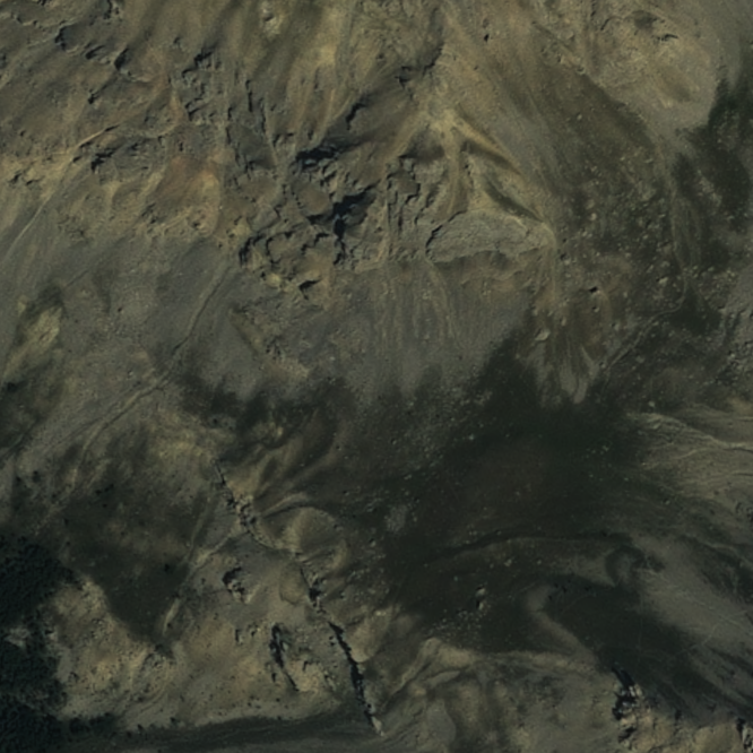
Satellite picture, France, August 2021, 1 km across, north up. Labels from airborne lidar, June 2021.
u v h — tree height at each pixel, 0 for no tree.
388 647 0
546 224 0
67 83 0
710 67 0
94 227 0
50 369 0
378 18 0
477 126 0
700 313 0
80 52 0
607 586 0
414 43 0
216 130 0
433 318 0
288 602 0
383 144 0
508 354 0
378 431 0
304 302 0
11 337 0
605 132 0
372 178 0
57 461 0
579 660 0
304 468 0
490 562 0
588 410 0
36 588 11
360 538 0
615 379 0
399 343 0
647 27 0
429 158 0
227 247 0
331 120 0
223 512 0
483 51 0
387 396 0
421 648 0
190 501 0
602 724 0
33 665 14
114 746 0
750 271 0
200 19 0
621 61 0
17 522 0
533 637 0
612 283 0
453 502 0
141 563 0
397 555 0
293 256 0
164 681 0
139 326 0
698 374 0
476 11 0
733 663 0
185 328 0
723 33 0
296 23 0
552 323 0
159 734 0
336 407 0
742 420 0
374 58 0
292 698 0
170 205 0
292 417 0
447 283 0
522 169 0
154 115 0
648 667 0
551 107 0
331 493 0
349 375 0
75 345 0
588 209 0
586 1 0
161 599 0
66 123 0
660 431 0
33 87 0
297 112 0
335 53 0
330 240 0
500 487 0
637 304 0
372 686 0
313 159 0
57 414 0
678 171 0
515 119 0
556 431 0
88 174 0
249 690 0
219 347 0
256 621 0
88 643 0
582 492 0
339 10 0
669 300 0
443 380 0
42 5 0
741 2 0
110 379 0
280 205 0
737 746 0
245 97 0
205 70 0
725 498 0
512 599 0
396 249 0
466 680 0
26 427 0
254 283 0
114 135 0
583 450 0
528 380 0
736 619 0
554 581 0
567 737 0
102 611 0
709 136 0
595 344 0
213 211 0
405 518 0
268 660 0
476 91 0
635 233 0
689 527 0
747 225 0
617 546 0
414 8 0
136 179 0
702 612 0
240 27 0
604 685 0
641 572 0
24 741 17
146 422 0
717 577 0
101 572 0
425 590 0
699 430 0
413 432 0
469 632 0
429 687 0
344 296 0
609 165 0
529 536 0
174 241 0
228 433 0
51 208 0
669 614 0
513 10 0
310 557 0
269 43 0
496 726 0
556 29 0
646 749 0
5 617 16
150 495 0
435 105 0
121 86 0
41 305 0
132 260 0
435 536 0
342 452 0
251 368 0
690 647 0
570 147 0
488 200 0
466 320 0
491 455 0
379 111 0
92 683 0
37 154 0
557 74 0
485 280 0
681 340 0
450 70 0
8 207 0
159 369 0
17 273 0
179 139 0
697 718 0
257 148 0
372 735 0
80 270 0
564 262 0
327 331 0
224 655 0
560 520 0
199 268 0
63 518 0
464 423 0
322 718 0
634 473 0
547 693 0
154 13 0
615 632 0
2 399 0
